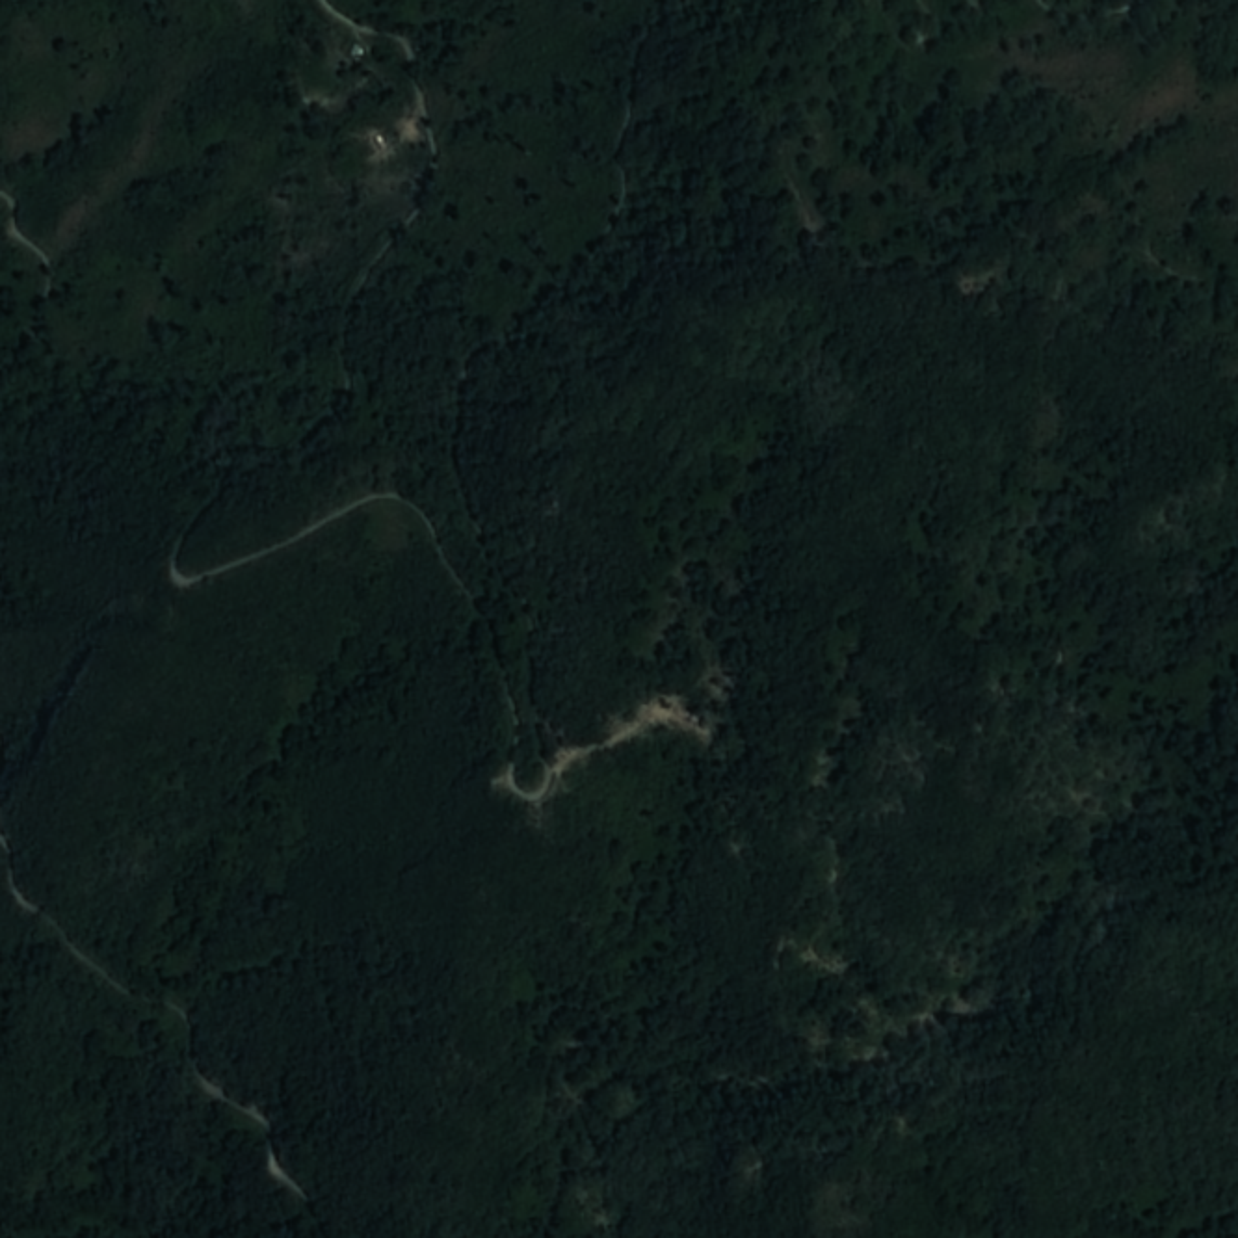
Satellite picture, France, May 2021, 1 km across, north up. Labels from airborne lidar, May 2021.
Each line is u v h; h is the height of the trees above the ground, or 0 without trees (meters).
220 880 7
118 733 6
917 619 11
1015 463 14
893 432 11
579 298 20
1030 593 18
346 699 18
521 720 6
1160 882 24
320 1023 9
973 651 20
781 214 15
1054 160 16
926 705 12
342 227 10
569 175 15
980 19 14
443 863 6
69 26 0
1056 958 9
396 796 7
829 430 17
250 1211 11
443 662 7
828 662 6
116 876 7
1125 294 7
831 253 11
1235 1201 23
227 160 19
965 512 9
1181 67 0
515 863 8
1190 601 23
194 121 14
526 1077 15
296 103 12
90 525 6
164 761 6
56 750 6
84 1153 9
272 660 7
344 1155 14
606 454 11
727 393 10
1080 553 21
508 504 16
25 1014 11
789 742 11
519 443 20
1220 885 10
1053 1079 7
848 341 11
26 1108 8
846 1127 17
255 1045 9
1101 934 18
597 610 9
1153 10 20
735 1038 19
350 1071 9
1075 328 17
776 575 16
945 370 9
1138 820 21
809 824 20
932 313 14
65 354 6
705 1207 15
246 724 7
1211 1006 11
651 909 19
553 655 9
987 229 20
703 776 18
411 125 0
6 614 7
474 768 6
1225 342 7
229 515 7
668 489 20
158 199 14
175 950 12
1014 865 14
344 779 6
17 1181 10
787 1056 19
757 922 9
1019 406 8
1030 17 0
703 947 20
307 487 10
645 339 12
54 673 7
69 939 7
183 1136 19
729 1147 13
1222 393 11
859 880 9
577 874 8
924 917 8
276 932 9
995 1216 11
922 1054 17
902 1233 10
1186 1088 6
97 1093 14
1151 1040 10
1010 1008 22
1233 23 17
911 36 19
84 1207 16
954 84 15
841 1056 13
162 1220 19
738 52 18
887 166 17
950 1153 18
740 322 6
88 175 6
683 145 17
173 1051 9
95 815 8
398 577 7
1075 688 16
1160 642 17
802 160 12
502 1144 10
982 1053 21
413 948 8
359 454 7
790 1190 11
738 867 9
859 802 7
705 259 18
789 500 10
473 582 9
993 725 15
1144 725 26
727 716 15
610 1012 24
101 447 11
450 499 11
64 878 8
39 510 11
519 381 17
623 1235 16
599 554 13
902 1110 13
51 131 0
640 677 16
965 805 6
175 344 11
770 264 14
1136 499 8
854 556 9
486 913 8
